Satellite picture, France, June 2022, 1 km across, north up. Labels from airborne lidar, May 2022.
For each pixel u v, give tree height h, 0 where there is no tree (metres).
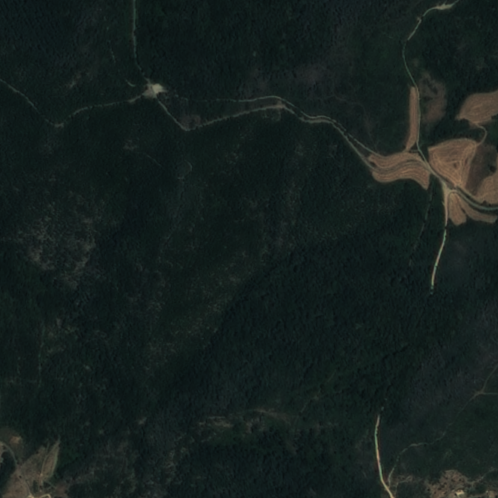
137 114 10
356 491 8
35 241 8
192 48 15
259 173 13
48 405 12
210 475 7
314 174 10
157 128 8
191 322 6
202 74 11
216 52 14
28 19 12
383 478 0
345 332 13
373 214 9
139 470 14
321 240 10
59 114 13
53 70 12
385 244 8
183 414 6
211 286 7
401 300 16
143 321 6
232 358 12
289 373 7
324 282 16
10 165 10
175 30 25
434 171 0
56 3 18
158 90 0
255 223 12
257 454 15
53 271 8
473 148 0
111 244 9
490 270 8
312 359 7
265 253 7
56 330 7
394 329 14
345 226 11
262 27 16
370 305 15
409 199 11
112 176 16
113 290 9
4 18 10
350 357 10
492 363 0
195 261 8
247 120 10
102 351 11
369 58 9
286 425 0
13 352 7
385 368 13
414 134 0
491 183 0
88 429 16
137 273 8
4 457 13
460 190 0
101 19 6
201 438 11
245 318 16
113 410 9
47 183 8
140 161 8
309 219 9
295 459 13
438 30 10
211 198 11
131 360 9
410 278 13
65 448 9
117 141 13
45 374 10
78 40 13
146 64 13
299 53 7
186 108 10
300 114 8
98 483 7
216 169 10
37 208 8
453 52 8
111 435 12
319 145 9
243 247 8
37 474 0
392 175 0
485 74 14
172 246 8
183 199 10
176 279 9
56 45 17
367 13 6
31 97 11
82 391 12
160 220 11
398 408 6
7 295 10
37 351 10
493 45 10
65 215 8
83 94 13
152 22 12
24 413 9
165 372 9
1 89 9
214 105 7
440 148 0
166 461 7
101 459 7
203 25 20
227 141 9
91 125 11
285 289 17
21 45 10
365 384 11
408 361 14
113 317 8
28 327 9
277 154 16
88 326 10
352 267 20
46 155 9
